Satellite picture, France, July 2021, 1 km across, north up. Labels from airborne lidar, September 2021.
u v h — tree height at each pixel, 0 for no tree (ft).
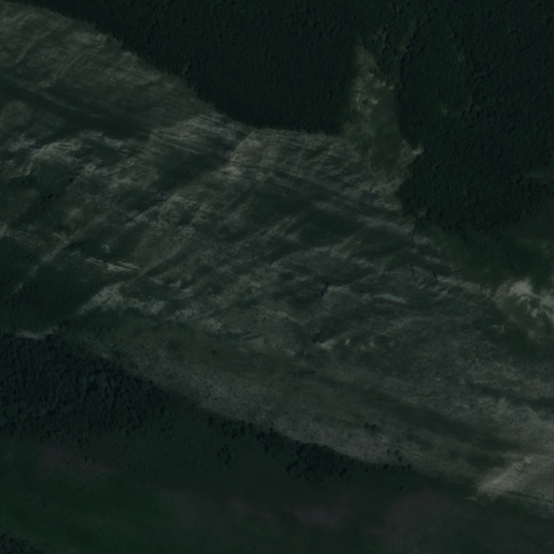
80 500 0
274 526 0
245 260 0
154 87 0
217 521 0
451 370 0
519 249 0
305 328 0
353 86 30
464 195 52
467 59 25
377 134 0
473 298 0
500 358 0
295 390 0
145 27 46
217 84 59
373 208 0
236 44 68
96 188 0
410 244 0
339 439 0
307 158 0
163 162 0
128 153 0
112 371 39
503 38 67
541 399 0
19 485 0
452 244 0
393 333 0
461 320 0
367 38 66
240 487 0
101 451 0
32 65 0
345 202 0
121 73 0
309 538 0
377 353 0
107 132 0
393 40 74
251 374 0
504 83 57
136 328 0
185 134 0
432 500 0
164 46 80
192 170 0
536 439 0
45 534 0
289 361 0
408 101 51
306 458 43
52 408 88
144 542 0
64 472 0
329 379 0
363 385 0
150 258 0
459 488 0
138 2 53
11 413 85
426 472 0
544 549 0
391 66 33
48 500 0
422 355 0
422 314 0
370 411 0
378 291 0
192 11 70
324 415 0
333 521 0
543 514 0
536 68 54
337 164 0
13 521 0
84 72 0
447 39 73
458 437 0
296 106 58
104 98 0
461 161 50
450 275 0
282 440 49
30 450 0
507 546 0
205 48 67
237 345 0
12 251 22
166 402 50
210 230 0
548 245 0
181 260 0
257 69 58
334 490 0
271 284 0
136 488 0
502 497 0
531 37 69
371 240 0
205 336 0
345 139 0
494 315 0
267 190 0
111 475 0
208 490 0
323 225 0
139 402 85
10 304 34
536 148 60
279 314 0
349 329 0
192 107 0
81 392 105
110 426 47
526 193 43
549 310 0
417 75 63
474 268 0
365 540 0
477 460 0
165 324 0
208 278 0
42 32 0
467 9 52
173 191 0
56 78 0
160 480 0
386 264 0
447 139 63
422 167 50
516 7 67
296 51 61
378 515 0
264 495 0
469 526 0
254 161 0
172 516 0
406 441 0
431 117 42
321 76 50
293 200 0
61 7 55
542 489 0
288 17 65
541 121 55
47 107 0
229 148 0
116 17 67
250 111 57
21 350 76
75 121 0
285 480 0
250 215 0
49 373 95
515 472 0
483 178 38
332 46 54
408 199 32
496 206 31
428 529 0
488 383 0
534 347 0
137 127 0
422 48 61
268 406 0
